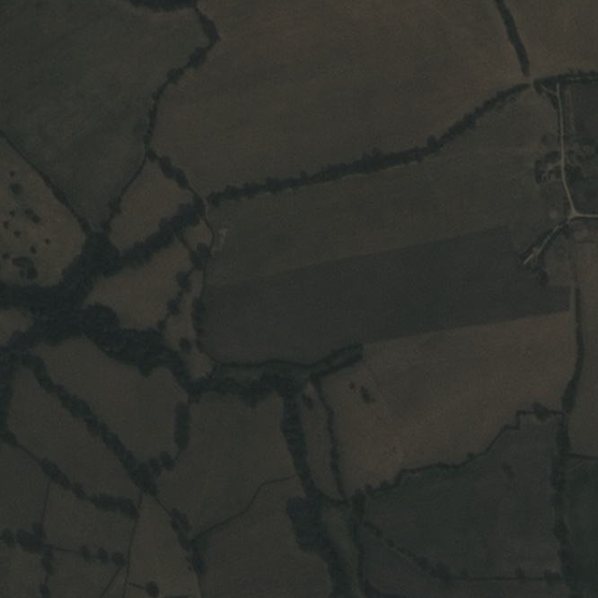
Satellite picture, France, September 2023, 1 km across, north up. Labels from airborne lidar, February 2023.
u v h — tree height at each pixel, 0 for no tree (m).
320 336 0
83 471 0
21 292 16
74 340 0
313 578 0
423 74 0
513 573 0
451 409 0
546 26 0
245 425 0
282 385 18
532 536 0
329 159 0
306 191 0
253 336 0
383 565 0
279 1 0
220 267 0
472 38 0
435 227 0
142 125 0
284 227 0
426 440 0
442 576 20
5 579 0
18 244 0
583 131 0
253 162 0
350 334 0
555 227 0
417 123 0
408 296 0
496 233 0
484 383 0
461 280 0
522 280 0
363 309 0
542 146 0
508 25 13
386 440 0
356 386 0
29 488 0
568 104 0
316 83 0
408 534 0
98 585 0
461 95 0
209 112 0
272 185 17
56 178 0
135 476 18
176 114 0
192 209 6
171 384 0
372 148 0
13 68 0
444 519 0
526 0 0
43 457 0
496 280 0
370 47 0
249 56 0
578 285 0
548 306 0
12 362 18
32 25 0
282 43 0
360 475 0
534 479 0
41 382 23
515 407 0
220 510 0
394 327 0
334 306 0
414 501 0
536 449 0
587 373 0
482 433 0
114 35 0
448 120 0
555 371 0
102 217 0
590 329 0
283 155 0
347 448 0
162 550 0
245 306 0
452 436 0
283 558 0
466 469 0
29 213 6
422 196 0
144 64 0
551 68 0
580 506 0
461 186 0
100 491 0
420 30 0
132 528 0
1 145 0
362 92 0
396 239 0
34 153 0
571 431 0
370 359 0
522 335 0
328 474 0
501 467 0
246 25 0
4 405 18
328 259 0
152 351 9
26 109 0
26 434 0
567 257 0
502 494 0
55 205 0
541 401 0
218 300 0
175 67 0
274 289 0
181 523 18
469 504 0
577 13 0
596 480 0
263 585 0
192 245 0
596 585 0
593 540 0
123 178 0
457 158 0
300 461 13
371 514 0
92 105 0
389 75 0
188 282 18
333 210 0
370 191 0
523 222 0
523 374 0
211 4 0
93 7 0
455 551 0
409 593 0
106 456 0
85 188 0
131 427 0
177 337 0
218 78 0
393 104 0
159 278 0
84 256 14
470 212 0
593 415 0
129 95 0
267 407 0
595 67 0
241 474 0
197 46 0
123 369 0
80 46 0
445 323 0
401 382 0
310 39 0
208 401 0
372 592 15
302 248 0
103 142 0
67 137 0
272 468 0
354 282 0
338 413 0
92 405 0
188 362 0
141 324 0
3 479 0
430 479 0
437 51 0
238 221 0
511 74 0
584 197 0
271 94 0
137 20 0
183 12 0
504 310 0
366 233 0
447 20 0
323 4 0
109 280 0
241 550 0
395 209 0
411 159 6
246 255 0
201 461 0
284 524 0
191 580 0
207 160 0
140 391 0
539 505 0
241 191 7
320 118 0
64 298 21
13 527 0
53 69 0
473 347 0
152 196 0
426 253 0
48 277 0
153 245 16
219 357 0
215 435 0
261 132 0
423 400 0
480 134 0
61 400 19
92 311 14
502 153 0
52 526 0
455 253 0
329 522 0
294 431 15
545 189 0
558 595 0
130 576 0
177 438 13
